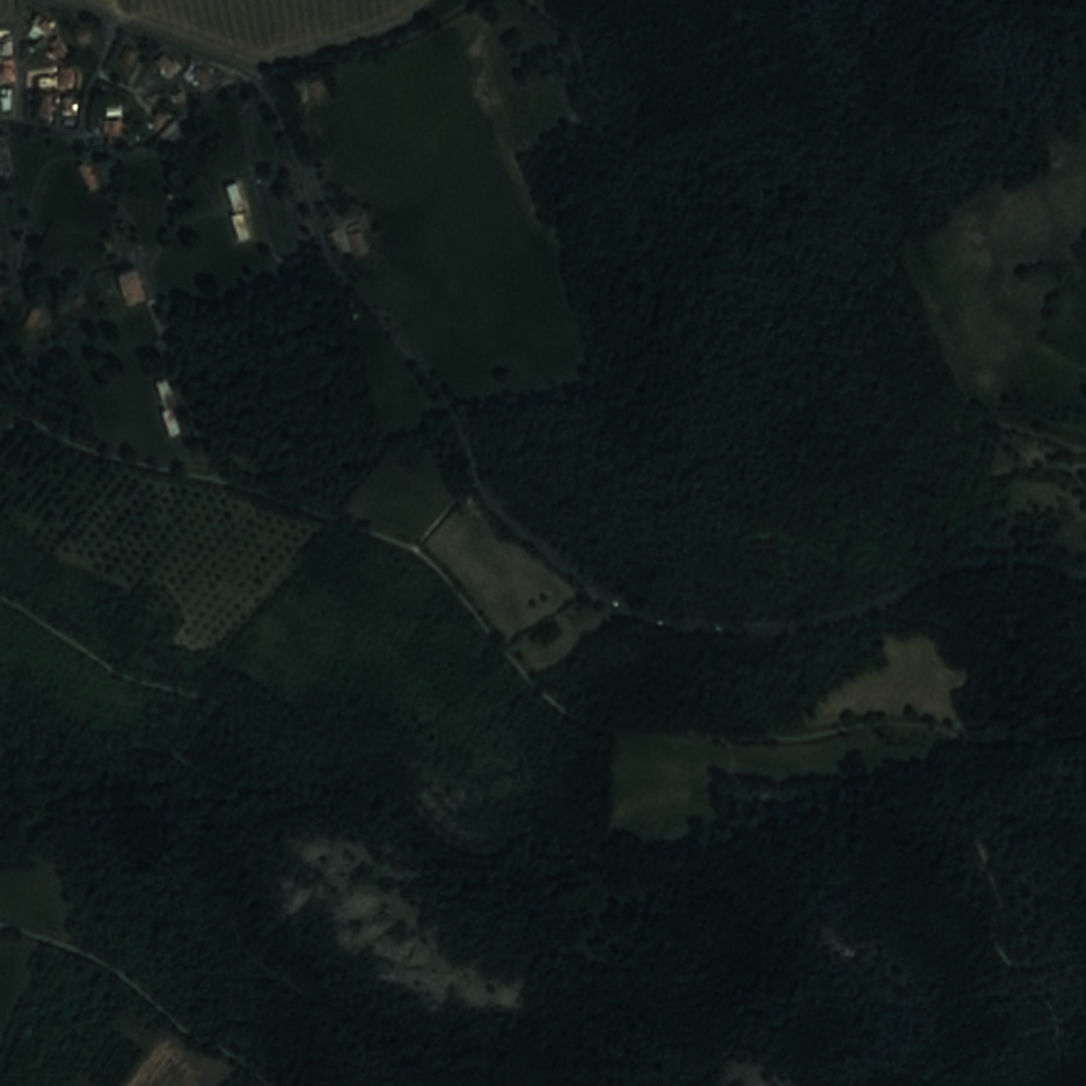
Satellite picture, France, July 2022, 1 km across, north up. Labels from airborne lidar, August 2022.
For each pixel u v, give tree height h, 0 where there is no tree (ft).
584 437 45
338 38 0
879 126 62
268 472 53
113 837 73
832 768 0
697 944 46
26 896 0
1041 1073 21
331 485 45
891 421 64
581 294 75
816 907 27
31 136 29
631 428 66
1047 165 25
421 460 37
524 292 0
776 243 76
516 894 77
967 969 33
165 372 65
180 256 0
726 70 45
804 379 48
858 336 60
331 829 25
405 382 0
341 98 0
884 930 27
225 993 44
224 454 33
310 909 33
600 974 53
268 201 0
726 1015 50
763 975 37
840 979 56
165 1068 0
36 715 42
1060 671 52
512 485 39
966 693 28
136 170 0
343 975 53
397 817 74
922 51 35
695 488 46
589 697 32
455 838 25
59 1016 18
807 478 37
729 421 47
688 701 39
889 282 57
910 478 42
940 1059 30
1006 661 45
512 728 31
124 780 58
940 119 54
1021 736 47
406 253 0
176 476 36
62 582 20
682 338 62
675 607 35
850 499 51
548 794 31
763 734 40
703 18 37
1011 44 57
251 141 0
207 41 0
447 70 0
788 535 28
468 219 0
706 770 0
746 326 56
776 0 42
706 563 35
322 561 35
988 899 35
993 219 0
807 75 45
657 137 59
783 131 57
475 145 0
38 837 64
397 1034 38
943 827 38
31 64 0
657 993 60
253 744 52
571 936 41
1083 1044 27
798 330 49
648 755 0
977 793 73
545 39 0
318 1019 39
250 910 66
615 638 48
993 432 41
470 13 22
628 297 79
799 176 73
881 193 74
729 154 65
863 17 65
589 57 51
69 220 0
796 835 85
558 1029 62
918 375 43
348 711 50
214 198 0
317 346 67
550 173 34
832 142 70
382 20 0
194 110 46
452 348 0
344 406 80
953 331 0
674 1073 40
